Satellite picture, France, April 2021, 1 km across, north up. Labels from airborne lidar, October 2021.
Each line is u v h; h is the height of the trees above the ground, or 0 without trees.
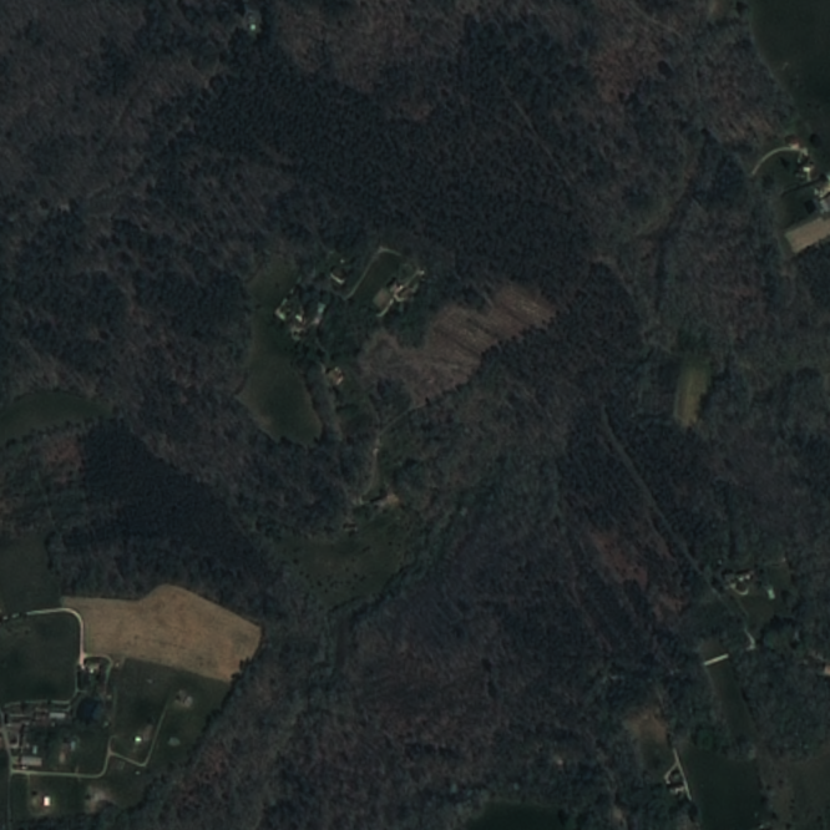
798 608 12
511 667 12
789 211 0
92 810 0
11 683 0
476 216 23
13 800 0
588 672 12
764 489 16
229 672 0
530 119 20
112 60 14
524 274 18
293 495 18
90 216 19
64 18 14
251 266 15
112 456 13
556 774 17
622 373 15
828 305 15
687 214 21
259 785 21
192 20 25
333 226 22
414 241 12
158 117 12
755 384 17
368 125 21
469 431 18
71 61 14
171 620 0
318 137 20
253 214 16
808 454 26
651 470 19
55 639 0
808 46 0
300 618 14
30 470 11
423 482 24
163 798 15
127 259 7
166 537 12
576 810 16
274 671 9
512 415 20
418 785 22
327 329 8
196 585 21
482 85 20
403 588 13
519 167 25
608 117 16
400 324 25
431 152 25
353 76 8
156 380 11
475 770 16
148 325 10
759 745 0
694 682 25
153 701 0
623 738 24
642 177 23
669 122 16
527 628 14
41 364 19
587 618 7
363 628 20
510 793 23
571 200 25
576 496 19
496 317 0
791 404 23
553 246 23
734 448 13
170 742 0
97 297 20
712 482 22
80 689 8
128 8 29
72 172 15
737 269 14
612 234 24
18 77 11
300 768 7
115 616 0
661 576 9
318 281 14
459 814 25
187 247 14
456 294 22
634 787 20
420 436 15
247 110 19
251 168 17
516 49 11
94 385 24
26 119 11
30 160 15
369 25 16
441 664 13
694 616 16
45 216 8
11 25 13
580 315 20
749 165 21
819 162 0
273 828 22
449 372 0
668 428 14
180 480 14
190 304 26
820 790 0
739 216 21
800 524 15
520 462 22
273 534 14
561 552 15
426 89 9
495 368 23
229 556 13
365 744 10
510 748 13
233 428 15
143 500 15
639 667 14
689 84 24
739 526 16
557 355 22
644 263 11
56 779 0
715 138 22
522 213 23
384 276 0
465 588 14
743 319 16
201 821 27
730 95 14
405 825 22
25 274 29
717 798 0
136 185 12
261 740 18
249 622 9
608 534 20
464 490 17
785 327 18
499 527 21
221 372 15
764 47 0
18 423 0
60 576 15
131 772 0
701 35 17
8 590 0
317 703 23
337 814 7
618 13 10
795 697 18
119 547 12
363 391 0
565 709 14
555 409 19
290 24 7
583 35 16
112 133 10
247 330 21
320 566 0
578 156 25
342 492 16
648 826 24
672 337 11
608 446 22
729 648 15
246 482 17
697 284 14
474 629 9
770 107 24
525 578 11
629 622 11
